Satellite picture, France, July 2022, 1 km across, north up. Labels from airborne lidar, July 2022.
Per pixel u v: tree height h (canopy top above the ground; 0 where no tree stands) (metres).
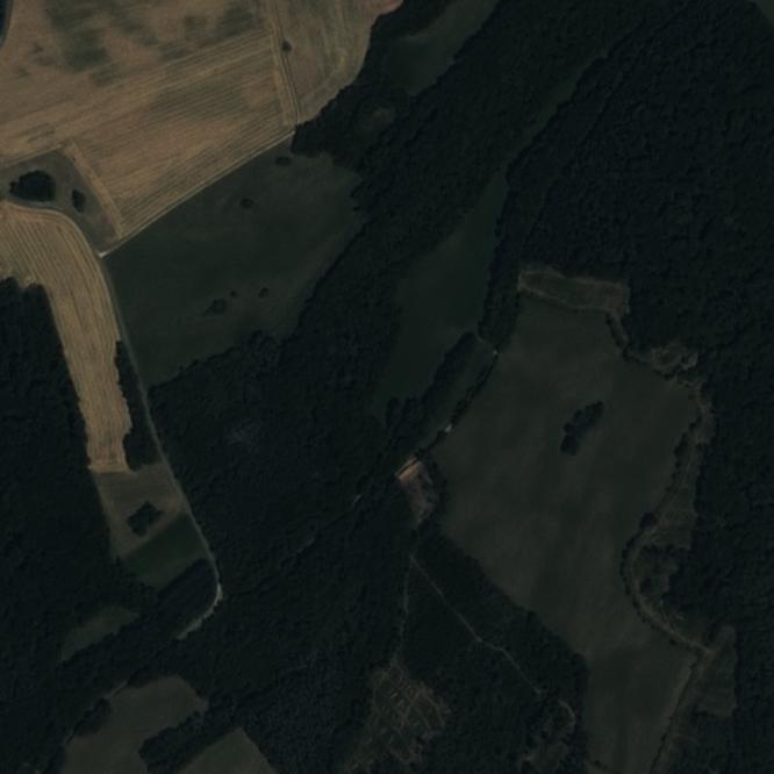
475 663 7
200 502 11
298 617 12
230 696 11
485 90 28
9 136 0
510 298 20
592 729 0
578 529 0
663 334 24
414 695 0
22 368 22
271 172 0
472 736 9
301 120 0
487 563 0
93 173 0
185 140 0
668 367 0
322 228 0
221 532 14
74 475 26
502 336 14
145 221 0
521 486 0
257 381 12
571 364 0
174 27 0
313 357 19
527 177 21
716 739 7
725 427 21
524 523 0
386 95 16
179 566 0
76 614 22
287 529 14
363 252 14
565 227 21
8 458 29
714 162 27
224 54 0
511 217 22
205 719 7
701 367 12
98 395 0
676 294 30
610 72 21
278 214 0
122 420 0
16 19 0
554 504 0
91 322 0
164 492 0
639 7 25
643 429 0
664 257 19
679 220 24
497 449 0
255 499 20
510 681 7
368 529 23
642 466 0
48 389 19
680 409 0
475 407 0
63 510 30
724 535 29
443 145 25
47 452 29
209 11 0
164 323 0
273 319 0
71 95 0
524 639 8
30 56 0
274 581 16
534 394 0
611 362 0
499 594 10
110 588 24
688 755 13
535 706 7
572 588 0
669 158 24
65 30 0
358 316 21
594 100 23
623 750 0
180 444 11
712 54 29
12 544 9
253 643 11
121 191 0
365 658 20
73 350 0
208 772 0
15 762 13
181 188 0
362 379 27
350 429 30
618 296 0
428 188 24
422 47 0
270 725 23
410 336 0
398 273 20
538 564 0
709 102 26
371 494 17
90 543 23
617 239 24
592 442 0
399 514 23
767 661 26
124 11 0
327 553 16
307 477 19
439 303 0
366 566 16
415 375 0
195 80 0
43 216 0
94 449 0
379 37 11
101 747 0
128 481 0
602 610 0
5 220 0
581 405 0
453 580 6
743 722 16
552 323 0
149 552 0
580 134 19
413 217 19
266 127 0
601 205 32
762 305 31
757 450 26
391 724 0
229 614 11
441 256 0
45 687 12
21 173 0
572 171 22
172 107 0
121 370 15
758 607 29
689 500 0
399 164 27
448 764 15
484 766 14
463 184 18
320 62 0
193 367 9
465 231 0
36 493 31
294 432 18
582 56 22
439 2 18
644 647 0
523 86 22
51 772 14
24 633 21
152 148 0
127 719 0
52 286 0
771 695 26
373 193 10
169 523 0
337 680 23
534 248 21
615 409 0
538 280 0
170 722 0
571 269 28
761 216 27
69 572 30
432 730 0
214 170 0
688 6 13
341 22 0
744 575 28
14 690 13
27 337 20
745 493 16
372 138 0
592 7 22
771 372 23
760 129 27
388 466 11
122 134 0
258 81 0
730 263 33
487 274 0
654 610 0
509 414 0
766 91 27
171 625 18
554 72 25
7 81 0
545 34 26
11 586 27
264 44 0
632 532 0
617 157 32
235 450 19
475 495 0
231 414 13
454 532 0
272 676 13
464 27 0
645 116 28
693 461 0
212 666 12
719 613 19
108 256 0
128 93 0
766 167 29
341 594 8
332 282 18
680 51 23
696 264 28
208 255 0
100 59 0
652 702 0
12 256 0
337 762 23
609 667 0
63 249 0
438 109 17
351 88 11
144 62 0
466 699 7
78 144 0
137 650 20
